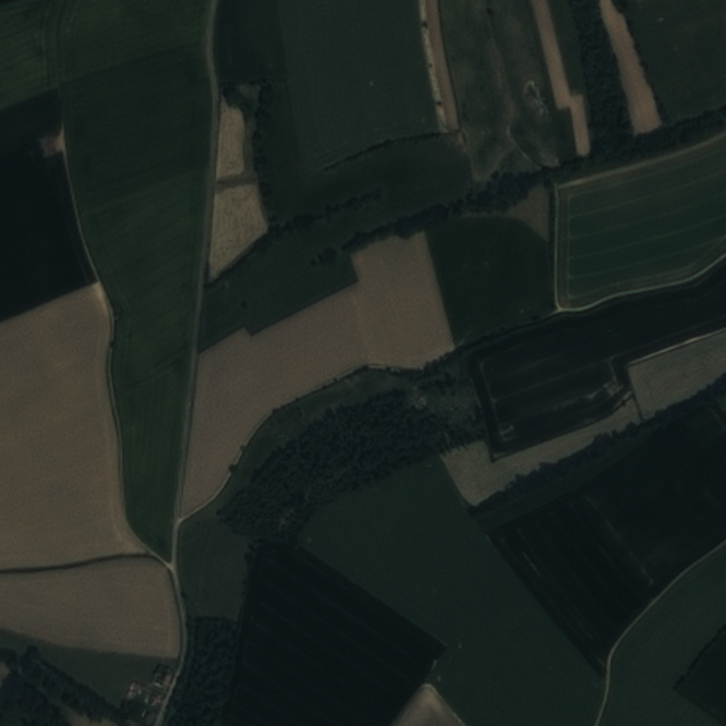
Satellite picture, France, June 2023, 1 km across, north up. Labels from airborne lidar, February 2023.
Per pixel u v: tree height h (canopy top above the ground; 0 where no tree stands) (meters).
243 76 0
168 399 0
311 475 10
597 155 17
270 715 0
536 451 0
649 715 0
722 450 0
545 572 0
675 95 0
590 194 0
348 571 0
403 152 0
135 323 0
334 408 0
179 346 0
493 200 20
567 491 0
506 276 0
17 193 0
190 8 0
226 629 20
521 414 0
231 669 16
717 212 0
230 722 0
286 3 0
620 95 19
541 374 0
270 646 0
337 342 0
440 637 0
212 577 0
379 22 0
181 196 0
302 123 0
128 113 0
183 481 0
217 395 0
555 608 0
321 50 0
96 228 0
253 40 0
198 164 0
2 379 0
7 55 0
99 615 0
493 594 0
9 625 0
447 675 0
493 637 0
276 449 0
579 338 0
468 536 0
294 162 0
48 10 0
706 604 0
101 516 0
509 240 0
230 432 0
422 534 0
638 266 0
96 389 0
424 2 0
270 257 0
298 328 0
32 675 23
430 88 0
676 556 0
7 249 0
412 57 0
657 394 0
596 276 0
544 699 0
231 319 0
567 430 0
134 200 0
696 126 13
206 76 0
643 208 0
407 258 0
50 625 0
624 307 0
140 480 0
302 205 0
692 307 0
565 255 0
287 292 0
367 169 0
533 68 0
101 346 0
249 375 0
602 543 0
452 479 0
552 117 0
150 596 0
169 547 0
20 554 0
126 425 0
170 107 0
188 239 0
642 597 0
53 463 0
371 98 0
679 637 0
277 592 0
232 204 0
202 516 0
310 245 0
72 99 0
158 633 0
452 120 0
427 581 0
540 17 0
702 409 0
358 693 0
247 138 0
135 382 0
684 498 0
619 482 0
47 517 0
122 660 0
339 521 0
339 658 0
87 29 0
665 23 0
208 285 7
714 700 0
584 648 0
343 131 0
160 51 0
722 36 0
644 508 0
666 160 0
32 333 0
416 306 0
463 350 9
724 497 0
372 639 0
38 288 0
